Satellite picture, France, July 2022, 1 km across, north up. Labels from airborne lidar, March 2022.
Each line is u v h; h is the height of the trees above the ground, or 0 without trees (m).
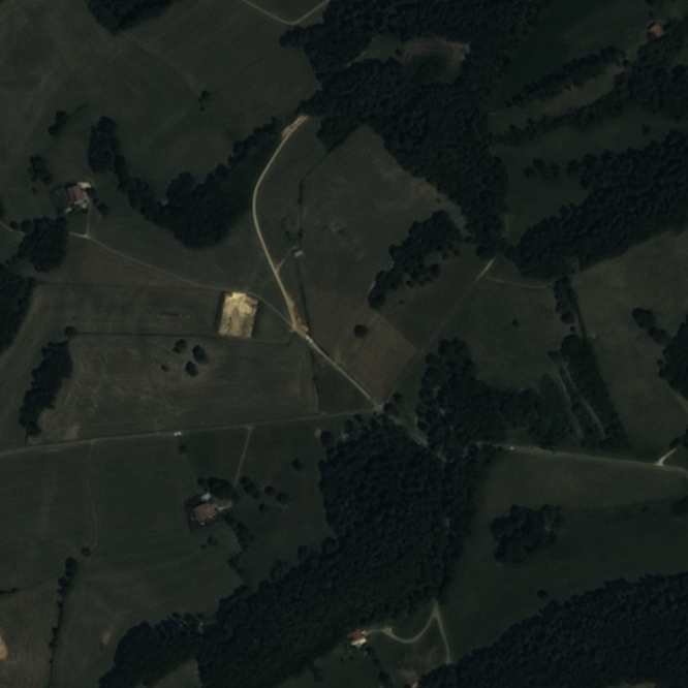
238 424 0
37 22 0
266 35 0
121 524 0
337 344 0
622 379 0
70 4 0
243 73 0
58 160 0
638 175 21
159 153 0
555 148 0
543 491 0
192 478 0
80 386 0
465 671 21
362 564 16
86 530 0
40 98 0
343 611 12
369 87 31
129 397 0
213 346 0
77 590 0
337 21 25
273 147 0
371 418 0
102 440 0
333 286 0
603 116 8
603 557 0
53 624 0
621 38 0
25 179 0
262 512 9
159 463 0
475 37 24
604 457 0
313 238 0
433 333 0
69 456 0
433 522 6
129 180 18
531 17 25
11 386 0
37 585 0
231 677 22
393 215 0
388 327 0
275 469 0
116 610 0
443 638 0
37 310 0
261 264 0
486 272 0
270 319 0
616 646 21
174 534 0
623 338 0
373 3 9
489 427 27
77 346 0
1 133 0
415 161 23
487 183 25
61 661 0
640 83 26
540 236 20
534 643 27
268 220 0
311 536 0
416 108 22
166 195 0
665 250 0
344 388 0
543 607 0
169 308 0
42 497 0
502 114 0
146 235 0
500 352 0
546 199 0
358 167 0
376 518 37
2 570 0
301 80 0
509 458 0
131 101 0
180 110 0
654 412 0
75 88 0
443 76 0
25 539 0
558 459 0
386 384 0
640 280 0
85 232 0
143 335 0
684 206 27
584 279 0
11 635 0
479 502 0
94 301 0
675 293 0
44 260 26
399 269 8
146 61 0
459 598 0
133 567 0
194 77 0
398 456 27
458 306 0
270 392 0
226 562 0
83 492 0
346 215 0
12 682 0
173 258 0
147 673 20
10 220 0
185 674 0
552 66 0
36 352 0
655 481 0
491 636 0
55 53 0
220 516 0
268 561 0
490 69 32
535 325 0
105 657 0
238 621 22
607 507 0
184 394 0
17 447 0
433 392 10
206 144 0
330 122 14
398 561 22
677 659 27
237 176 0
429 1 26
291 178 0
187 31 0
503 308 0
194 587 0
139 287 0
